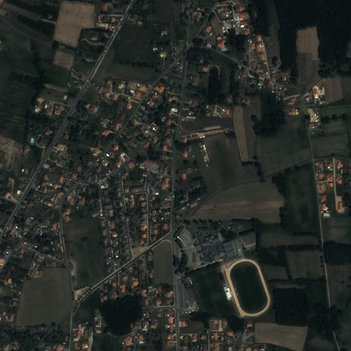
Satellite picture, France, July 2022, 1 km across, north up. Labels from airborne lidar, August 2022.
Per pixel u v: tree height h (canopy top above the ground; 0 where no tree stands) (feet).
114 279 0
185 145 49
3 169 0
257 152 0
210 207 0
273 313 0
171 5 0
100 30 58
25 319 0
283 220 58
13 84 0
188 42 0
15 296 20
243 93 0
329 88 0
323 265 21
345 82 0
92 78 0
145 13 52
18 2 32
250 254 0
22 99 0
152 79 0
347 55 46
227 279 0
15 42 0
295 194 0
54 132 36
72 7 0
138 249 0
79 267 0
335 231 0
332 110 0
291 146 0
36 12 22
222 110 0
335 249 99
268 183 0
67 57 0
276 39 0
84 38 0
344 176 18
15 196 0
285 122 46
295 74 62
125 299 33
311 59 0
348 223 0
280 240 0
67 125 0
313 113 0
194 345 28
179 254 0
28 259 0
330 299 0
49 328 0
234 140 0
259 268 0
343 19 59
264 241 0
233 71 26
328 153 0
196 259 0
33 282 0
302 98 0
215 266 43
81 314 0
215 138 0
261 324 0
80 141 25
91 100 0
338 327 62
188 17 38
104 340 0
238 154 0
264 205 0
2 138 0
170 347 0
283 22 48
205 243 0
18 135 0
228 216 0
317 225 0
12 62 0
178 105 24
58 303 0
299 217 0
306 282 36
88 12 0
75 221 0
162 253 0
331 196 0
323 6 25
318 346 0
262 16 48
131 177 26
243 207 0
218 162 0
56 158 0
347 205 24
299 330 0
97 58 0
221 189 0
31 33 0
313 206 0
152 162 0
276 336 0
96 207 21
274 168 0
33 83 32
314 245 27
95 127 30
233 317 31
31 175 0
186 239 0
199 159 0
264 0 47
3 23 0
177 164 0
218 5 0
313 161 0
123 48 0
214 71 49
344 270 0
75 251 0
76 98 0
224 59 0
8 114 0
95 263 0
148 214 0
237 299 0
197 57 61
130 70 0
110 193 35
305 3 82
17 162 0
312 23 71
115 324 53
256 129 54
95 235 0
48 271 0
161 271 0
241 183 0
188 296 0
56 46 41
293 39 26
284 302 65
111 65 0
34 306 0
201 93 44
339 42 52
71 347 0
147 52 0
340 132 0
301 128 0
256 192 0
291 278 36
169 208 26
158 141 23
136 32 0
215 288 0
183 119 0
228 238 35
